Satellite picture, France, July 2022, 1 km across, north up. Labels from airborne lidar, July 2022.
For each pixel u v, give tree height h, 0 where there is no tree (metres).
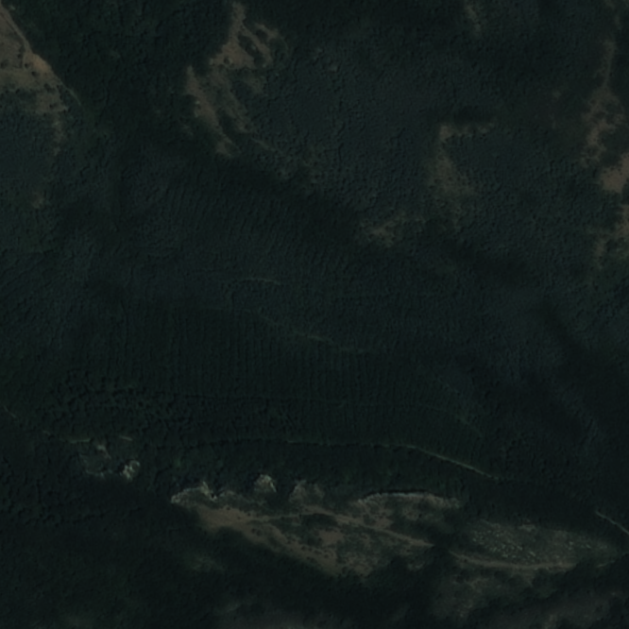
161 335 15
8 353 16
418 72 14
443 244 14
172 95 9
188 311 13
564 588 15
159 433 22
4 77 0
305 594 15
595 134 0
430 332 14
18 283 19
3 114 7
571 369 19
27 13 12
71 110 15
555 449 15
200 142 10
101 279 17
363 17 14
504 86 7
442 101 12
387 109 14
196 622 18
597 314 9
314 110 18
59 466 28
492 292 13
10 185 10
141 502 22
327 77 12
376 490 9
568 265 11
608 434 13
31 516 24
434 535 14
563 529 8
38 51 8
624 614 10
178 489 7
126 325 13
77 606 9
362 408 7
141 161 13
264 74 6
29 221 9
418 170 10
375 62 15
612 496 18
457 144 13
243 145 11
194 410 22
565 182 9
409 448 6
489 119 9
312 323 7
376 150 14
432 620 12
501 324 14
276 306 15
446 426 13
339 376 12
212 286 14
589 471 14
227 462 14
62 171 14
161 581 16
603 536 7
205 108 0
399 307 13
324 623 12
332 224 16
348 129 12
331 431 14
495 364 14
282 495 15
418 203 15
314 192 10
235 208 16
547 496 18
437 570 8
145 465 10
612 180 0
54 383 15
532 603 11
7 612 16
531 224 12
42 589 17
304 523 6
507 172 15
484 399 18
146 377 13
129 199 13
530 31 10
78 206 18
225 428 21
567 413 19
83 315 19
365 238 7
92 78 18
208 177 14
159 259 14
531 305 16
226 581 10
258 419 24
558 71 9
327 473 24
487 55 11
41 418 13
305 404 11
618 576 13
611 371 12
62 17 12
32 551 13
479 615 7
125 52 17
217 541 9
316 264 10
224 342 12
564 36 9
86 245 16
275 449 20
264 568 13
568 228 8
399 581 9
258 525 0
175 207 13
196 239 8
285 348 7
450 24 15
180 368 12
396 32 11
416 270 8
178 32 15
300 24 15
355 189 9
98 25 8
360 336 14
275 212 14
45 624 16
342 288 7
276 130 16
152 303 12
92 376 23
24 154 11
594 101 0
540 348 14
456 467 19
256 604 8
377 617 20
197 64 9
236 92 9
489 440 14
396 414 13
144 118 22
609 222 9
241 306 14
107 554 19
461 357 19
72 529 16
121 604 13
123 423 19
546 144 10
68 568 9
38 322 19
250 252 12
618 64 9
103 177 13
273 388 13
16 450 27
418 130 16
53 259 15
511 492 18
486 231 12
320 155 12
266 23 7
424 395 10
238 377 12
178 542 12
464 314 11
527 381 20
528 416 15
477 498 22
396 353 13
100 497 17
